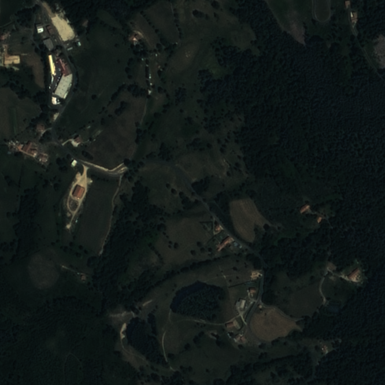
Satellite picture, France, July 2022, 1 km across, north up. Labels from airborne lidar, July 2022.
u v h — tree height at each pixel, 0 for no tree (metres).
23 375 6
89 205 0
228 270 0
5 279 7
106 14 0
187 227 0
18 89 18
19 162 0
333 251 19
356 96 23
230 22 0
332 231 14
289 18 0
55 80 0
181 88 10
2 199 0
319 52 18
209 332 0
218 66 0
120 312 0
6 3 0
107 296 24
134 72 0
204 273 0
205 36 0
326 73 25
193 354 0
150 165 0
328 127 24
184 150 0
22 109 0
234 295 0
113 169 0
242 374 17
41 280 0
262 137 19
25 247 16
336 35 18
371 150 22
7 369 7
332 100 24
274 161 21
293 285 0
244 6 23
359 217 28
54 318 6
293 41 26
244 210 0
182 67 0
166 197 0
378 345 19
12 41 0
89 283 13
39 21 0
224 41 8
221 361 0
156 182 0
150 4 14
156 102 0
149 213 15
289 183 7
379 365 26
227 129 0
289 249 14
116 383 0
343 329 22
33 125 13
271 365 6
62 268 0
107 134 0
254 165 15
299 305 0
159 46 13
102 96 0
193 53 0
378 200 11
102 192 0
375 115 22
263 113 15
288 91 19
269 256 21
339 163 17
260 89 20
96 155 0
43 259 0
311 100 16
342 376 18
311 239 20
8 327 26
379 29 19
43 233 0
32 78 6
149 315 0
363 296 13
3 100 0
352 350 19
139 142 20
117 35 7
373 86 25
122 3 23
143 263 0
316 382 12
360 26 13
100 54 0
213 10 0
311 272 10
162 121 0
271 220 10
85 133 0
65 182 0
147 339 29
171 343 0
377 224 15
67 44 0
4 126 0
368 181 27
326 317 7
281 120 20
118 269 28
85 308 17
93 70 0
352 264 9
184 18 0
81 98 0
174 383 21
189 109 0
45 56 13
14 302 6
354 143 20
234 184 0
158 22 0
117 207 10
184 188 0
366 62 15
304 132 7
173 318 0
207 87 19
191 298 36
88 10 15
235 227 0
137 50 9
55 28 0
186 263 0
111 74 0
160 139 0
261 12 26
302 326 0
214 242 8
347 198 20
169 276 14
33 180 0
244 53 9
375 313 16
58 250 0
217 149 0
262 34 17
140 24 0
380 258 16
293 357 15
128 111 0
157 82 0
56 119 0
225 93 21
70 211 0
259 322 0
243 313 0
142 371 24
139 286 9
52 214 0
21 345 6
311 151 17
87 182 0
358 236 21
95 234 0
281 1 0
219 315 0
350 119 24
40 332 5
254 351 0
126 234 15
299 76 25
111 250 19
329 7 0
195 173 0
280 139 8
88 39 6
